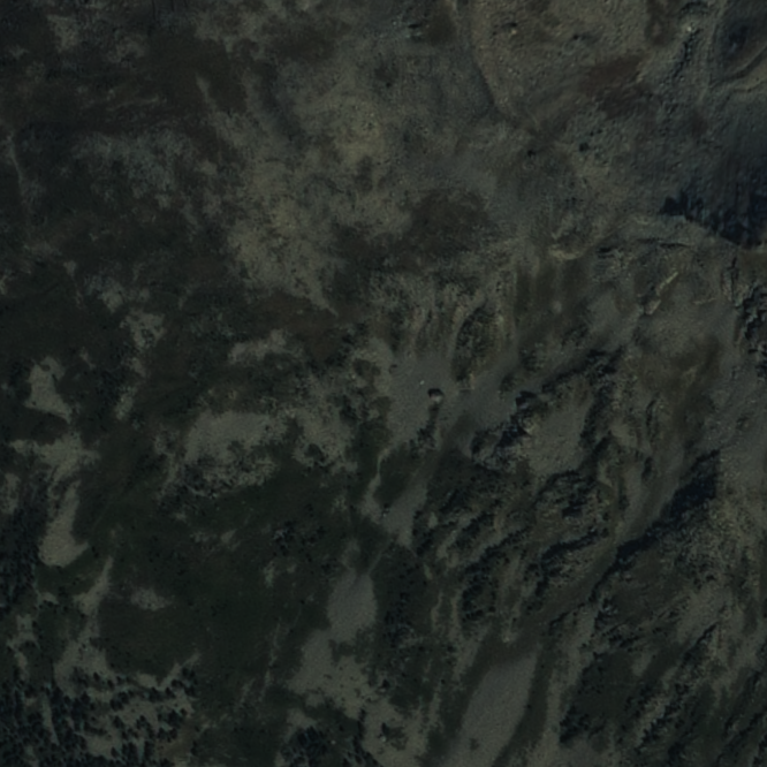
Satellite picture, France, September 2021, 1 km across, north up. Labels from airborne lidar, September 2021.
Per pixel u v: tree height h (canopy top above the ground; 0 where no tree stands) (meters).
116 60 0
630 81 0
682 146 0
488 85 0
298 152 0
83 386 0
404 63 0
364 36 0
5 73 0
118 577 0
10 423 0
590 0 0
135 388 0
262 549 0
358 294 0
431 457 0
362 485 0
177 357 0
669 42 0
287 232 0
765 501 0
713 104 0
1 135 0
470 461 0
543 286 0
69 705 12
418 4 0
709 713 0
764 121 0
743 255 0
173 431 0
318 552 0
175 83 0
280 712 0
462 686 0
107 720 0
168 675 0
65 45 0
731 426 0
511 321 0
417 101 0
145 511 0
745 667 0
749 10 0
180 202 0
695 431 0
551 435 0
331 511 0
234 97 0
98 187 0
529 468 0
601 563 0
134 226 0
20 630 0
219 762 0
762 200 0
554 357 0
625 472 0
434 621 0
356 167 0
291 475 0
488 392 0
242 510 0
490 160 0
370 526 0
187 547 0
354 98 0
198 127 0
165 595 0
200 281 0
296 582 0
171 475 0
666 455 0
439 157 0
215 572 0
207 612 0
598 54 0
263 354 0
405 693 0
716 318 0
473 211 0
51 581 0
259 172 0
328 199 0
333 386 0
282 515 0
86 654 0
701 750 0
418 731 0
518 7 0
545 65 0
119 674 0
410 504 0
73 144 0
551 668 0
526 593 0
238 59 0
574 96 0
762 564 0
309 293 0
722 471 0
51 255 0
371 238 0
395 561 0
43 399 0
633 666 0
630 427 0
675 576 0
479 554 0
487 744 0
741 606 0
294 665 0
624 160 0
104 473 0
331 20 0
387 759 0
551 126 0
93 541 0
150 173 0
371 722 0
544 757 0
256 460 0
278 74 0
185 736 0
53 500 0
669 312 0
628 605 0
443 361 0
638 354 0
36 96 0
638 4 0
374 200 0
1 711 12
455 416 0
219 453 0
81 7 0
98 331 0
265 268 0
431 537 5
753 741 0
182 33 0
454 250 0
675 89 0
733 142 0
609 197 0
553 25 0
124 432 0
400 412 0
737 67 0
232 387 0
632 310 0
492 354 0
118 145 0
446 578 0
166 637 0
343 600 0
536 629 0
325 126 0
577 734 11
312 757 12
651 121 0
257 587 0
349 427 0
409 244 0
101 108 0
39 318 0
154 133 0
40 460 0
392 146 0
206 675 0
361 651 0
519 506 0
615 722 0
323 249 0
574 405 0
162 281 0
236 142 0
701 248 0
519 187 0
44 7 0
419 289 0
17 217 0
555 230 0
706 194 0
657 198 0
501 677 0
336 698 0
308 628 0
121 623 0
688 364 0
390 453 0
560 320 0
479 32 0
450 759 0
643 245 0
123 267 0
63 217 0
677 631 0
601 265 0
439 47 0
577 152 0
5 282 0
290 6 0
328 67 0
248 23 0
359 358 0
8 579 7
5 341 0
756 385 0
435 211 0
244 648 0
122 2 0
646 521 0
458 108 0
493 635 0
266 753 0
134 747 16
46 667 0
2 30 0
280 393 0
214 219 0
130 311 0
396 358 0
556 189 0
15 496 0
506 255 0
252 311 0
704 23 0
